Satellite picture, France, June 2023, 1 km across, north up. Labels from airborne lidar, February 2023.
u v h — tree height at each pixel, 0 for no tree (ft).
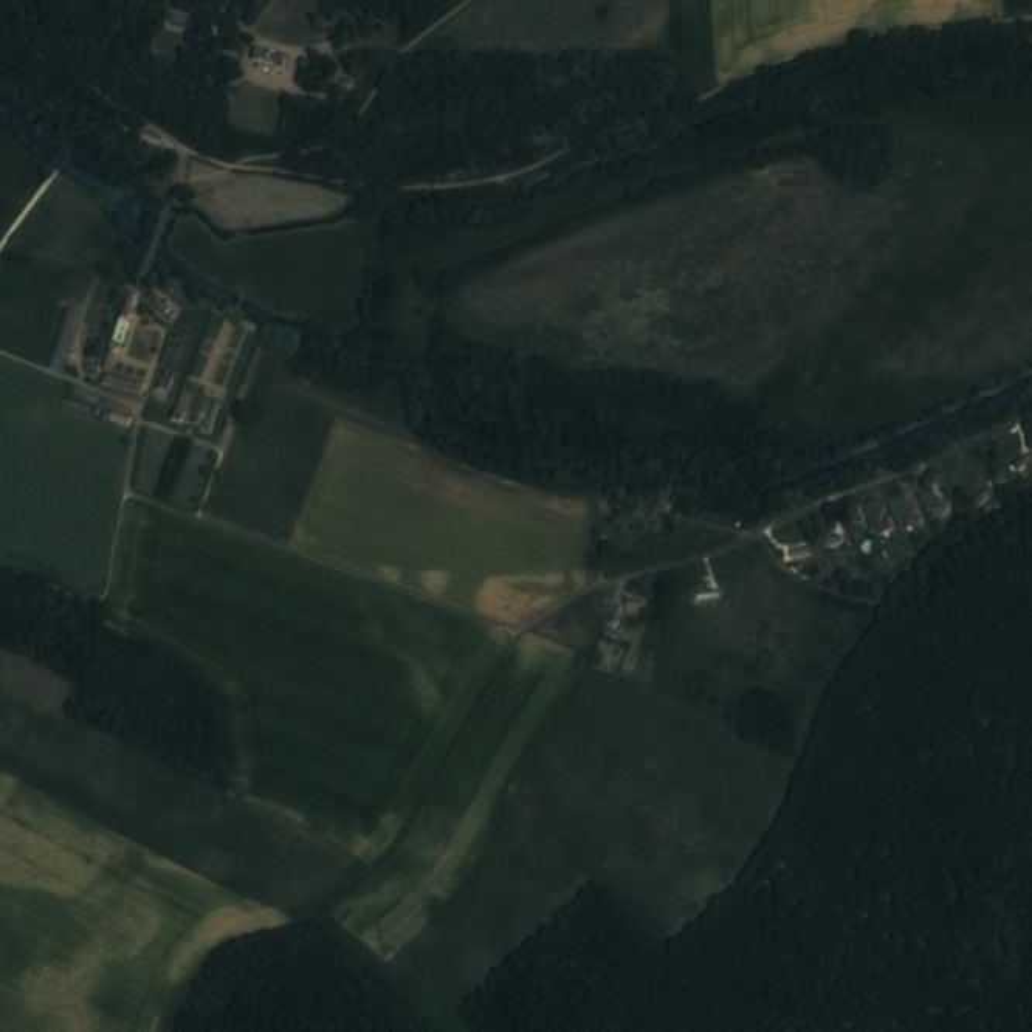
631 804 0
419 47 0
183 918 0
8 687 0
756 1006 63
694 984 72
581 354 0
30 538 0
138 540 0
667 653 0
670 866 0
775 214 0
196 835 0
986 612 61
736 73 0
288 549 0
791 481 74
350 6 83
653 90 47
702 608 0
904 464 74
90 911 0
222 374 0
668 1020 64
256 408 0
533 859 0
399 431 0
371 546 0
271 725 0
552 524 0
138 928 0
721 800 0
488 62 42
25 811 0
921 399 0
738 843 0
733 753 0
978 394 48
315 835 0
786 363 0
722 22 0
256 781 0
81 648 42
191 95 44
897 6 0
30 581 35
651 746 0
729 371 0
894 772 71
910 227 0
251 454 0
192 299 86
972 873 60
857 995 66
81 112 48
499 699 0
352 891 0
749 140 0
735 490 82
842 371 0
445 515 0
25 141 45
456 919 0
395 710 0
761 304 0
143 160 49
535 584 0
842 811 72
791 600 0
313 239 0
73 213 0
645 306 0
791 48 0
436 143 54
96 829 0
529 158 61
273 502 0
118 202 0
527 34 0
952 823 69
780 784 0
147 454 0
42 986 0
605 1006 54
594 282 0
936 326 0
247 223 0
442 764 0
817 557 0
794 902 65
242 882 0
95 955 0
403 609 0
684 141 21
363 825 0
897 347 0
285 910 0
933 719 64
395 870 0
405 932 0
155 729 36
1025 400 73
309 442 0
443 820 0
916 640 68
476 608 0
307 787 0
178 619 0
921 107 0
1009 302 0
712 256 0
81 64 57
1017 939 73
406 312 0
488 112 36
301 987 70
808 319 0
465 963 0
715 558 0
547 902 0
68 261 0
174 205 58
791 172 0
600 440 36
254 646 0
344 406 0
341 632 0
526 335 0
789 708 51
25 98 57
